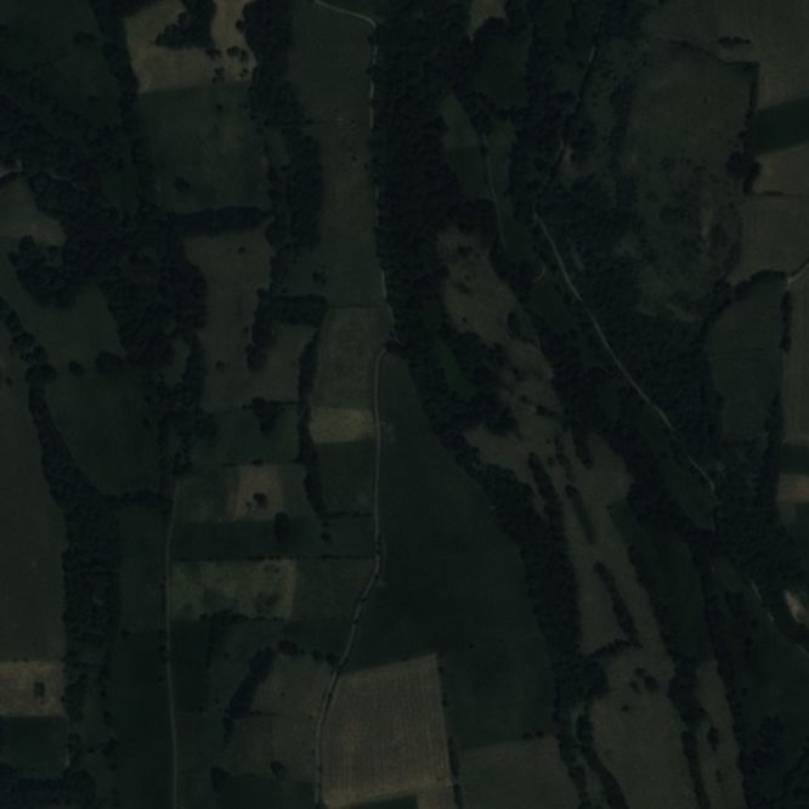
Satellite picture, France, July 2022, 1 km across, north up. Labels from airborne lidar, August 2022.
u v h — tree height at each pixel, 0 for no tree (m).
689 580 0
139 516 0
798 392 0
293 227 8
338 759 0
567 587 10
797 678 0
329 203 0
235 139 0
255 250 0
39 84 6
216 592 0
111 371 18
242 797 0
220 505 0
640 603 0
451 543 0
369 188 0
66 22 0
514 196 17
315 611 0
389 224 22
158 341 23
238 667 0
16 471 0
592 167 0
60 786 18
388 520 0
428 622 0
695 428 9
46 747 0
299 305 12
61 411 0
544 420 0
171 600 0
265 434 14
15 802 19
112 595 19
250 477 0
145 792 0
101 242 23
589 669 18
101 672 9
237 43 0
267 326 17
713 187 0
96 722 0
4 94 0
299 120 7
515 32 13
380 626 0
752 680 0
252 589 0
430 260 22
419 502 0
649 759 0
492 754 0
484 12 0
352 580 0
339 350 0
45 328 0
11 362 0
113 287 24
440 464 0
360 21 0
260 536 0
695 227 0
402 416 0
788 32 0
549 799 0
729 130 0
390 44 8
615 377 14
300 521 0
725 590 0
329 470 0
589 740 24
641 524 14
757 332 0
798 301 0
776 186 0
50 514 0
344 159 0
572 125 18
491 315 0
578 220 7
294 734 0
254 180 0
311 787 0
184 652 0
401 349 17
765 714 0
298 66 0
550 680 0
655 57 0
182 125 0
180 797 0
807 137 0
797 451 0
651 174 0
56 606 0
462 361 13
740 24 0
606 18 8
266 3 9
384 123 19
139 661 0
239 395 0
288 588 0
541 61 24
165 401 9
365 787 0
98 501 24
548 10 14
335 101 0
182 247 21
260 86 9
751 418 0
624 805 20
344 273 0
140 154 19
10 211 0
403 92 8
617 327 11
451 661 0
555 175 15
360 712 0
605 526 0
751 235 0
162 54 0
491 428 19
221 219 20
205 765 0
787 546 12
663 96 0
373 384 0
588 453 9
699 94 0
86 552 19
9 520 0
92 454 0
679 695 24
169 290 16
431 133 22
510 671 0
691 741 22
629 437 20
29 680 0
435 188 25
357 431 0
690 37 0
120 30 23
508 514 19
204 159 0
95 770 0
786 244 0
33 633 0
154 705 0
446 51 7
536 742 0
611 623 0
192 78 0
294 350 0
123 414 0
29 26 0
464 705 0
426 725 0
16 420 0
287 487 0
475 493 0
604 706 0
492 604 0
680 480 0
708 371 19
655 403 12
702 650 0
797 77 0
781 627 17
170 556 0
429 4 7
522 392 0
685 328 6
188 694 0
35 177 27
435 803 0
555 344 20
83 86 0
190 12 26
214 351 0
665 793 0
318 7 0
